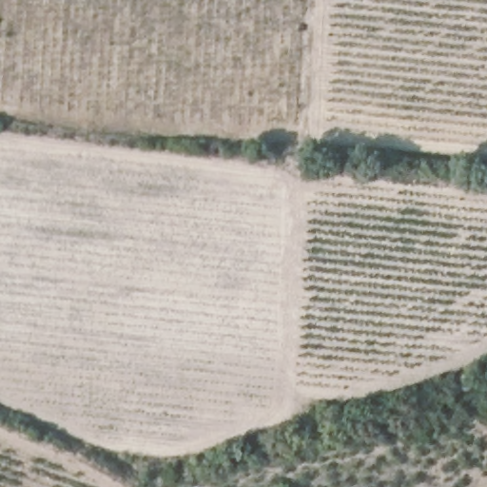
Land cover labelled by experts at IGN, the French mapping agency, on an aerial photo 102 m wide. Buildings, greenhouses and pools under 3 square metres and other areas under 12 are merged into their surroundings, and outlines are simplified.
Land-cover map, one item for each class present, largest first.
<instances>
[{"label":"vineyard","instance_id":"1","mask_svg":"<svg viewBox=\"0 0 487 487\"><path fill-rule=\"evenodd\" d=\"M337 8L377 11V15L331 13V27L358 29L360 34L342 32V38H348V42H339V51L335 53L337 72L335 80H331L333 93L329 101H312V82L308 80L301 84V70L302 55L314 48V30L306 25V13L316 6L314 0H0V112L27 120L61 122L86 129L108 127L116 131L146 135H215L226 139H257L261 135L270 129H285L301 133L306 139H316L323 137L329 129L341 127L350 129L352 133H363L371 139L379 137V135H398L399 139H403V141H409V143H411L419 146L424 152H474L477 148L487 152V0H335ZM487 354V194L468 192L458 186L447 185L443 181L438 186H428L401 185L384 179L377 181L356 183L348 175H337L329 179L306 181L302 179V175L295 179L287 175L278 164H249L240 158L228 160L204 156H186L164 150H139L126 146L89 145L84 141L51 139L10 131L0 133V403L51 422L67 430L74 438L84 439L86 443L103 447L107 445L108 439H120V436H139L152 439L158 445H167V441L205 439L209 432H217V436L224 441L238 438L257 428L276 426L283 420L293 419L295 415L306 413L308 405L316 399L363 398L379 390H396L401 386L436 377L445 371H455L458 367L470 365L472 361L479 360ZM15 449H8L4 443H0V487H95L70 479L63 464L51 462L48 458L29 457L17 460Z\"/></svg>","mask_w":487,"mask_h":487},{"label":"deciduous trees","instance_id":"2","mask_svg":"<svg viewBox=\"0 0 487 487\"><path fill-rule=\"evenodd\" d=\"M173 139L177 145L183 141H192V145L204 156L228 160L240 158L249 164H272L274 156L270 154L261 135L257 139H226L215 135H175ZM302 175V179L306 181L329 179L337 175H348L356 183L377 181L373 173L380 169L379 160L373 154H367L363 148L356 146L350 150L346 143L323 137L316 139L308 156H304L299 162ZM468 192L487 194V152L477 148L474 152H468L464 164V183L458 186ZM394 417L401 422V430L405 432L420 430L428 438L430 445H436L441 436L460 439L468 430H472V436L476 438L487 439V354L479 360L472 361L470 365L458 367L455 371H445L436 377L401 386L396 390H379L363 398L316 399L308 405L306 413L295 415L293 419L283 420L276 426L257 428L238 438L224 441L215 447L205 449L202 453H188L183 457L114 453L103 447L86 443L84 439L74 438L67 430L51 422L0 403V424L11 432L27 434L32 441L51 443L61 451L78 453L91 460L99 470L124 481L127 487H177L183 481V476L192 479V476L202 474L198 462H204V457L215 464H223L230 458H242V453L255 455L257 449L263 445L264 451L268 453V466H282L280 476L287 477L289 472L297 468L299 462H323L327 457L321 453L327 451H335V458H344L356 453H371L375 447L384 445L379 430L373 428V420L386 424Z\"/></svg>","mask_w":487,"mask_h":487},{"label":"herbaceous vegetation","instance_id":"3","mask_svg":"<svg viewBox=\"0 0 487 487\"><path fill-rule=\"evenodd\" d=\"M10 131L51 139L84 141L89 145L126 146L139 150H164L186 156H204L192 145V141H183L177 145L173 139L175 135H146L116 131L108 127L86 129L61 122L27 120L0 112V133ZM270 154L274 156L272 164H278L287 175L295 179L302 175L299 162L304 156H308L316 139H306L301 133L285 129H270L261 135ZM367 154H373L379 160L380 169L373 173L377 181L384 179L401 185L428 186H438L443 181L447 185L458 186L464 183V164L468 152H424L419 146L411 143V145L407 146V148H399V146H384V143L380 141L379 137L371 139L363 148ZM327 457L323 462H299L297 468L289 472L287 477L280 476L282 466H268L261 483H255L253 472L232 474L228 477V483L238 487H487V439L476 438L472 436V430H468L460 439L441 436L436 445H430L428 438L420 430L405 432V441L384 445L375 447L371 453H356L344 458H335V451H327L321 453Z\"/></svg>","mask_w":487,"mask_h":487},{"label":"plowed land","instance_id":"4","mask_svg":"<svg viewBox=\"0 0 487 487\"><path fill-rule=\"evenodd\" d=\"M316 6L306 13V25L314 30V48L302 55L301 70V84L308 80L312 82V101H329L333 93L331 80H335L337 72L335 53L339 51V42H348V38H342V32L360 34L358 29L331 27V13L377 15V11L337 8L335 0H314ZM323 137L346 143L350 150L356 146L363 148L371 139L363 133H352L350 129L341 127L329 129ZM380 141L384 143V146H399V148H407V146L411 145V143H409V141H403V139H399L398 135H379V137ZM0 443H4L8 449H15L17 460L29 457L48 458L51 462L63 464L70 479L95 487H127L124 481L99 470L91 460L78 453L61 451L51 443L32 441L27 434L11 432L0 424ZM224 441L217 436V432H209L205 439L167 441V445H158L152 439L139 436H120V439H108L107 445L103 447L114 453L183 457L188 453H202L205 449L215 447Z\"/></svg>","mask_w":487,"mask_h":487},{"label":"brushwood","instance_id":"5","mask_svg":"<svg viewBox=\"0 0 487 487\"><path fill-rule=\"evenodd\" d=\"M373 428L379 430L384 445L405 441V432L401 430V422L394 417L386 424L373 420ZM202 474L192 476V479L183 476V481L177 487H238L228 483V477L232 474L253 472L255 483H261L268 466V453L264 451L263 445L257 449L255 455L242 453V458H230L223 464H215L204 457V462H198Z\"/></svg>","mask_w":487,"mask_h":487}]
</instances>
